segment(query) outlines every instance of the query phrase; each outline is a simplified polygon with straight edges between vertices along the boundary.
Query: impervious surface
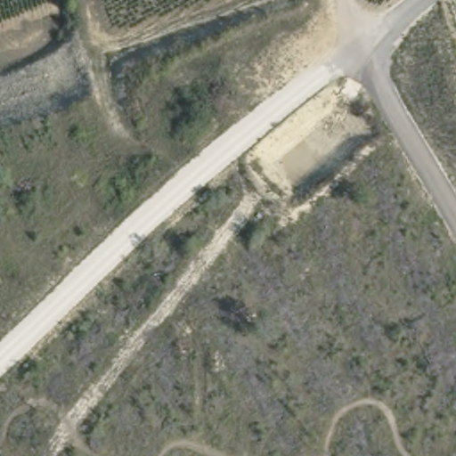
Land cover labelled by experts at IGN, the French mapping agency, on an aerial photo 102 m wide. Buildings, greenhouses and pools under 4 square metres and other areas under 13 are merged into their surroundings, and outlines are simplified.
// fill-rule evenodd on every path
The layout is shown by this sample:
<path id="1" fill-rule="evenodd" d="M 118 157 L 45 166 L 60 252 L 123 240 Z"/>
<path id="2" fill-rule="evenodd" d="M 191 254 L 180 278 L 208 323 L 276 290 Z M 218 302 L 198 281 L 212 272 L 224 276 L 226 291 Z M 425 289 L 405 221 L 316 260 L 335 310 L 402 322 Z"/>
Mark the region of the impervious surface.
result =
<path id="1" fill-rule="evenodd" d="M 444 219 L 445 230 L 456 244 L 456 185 L 454 178 L 449 178 L 447 169 L 438 159 L 435 148 L 427 141 L 420 126 L 415 123 L 410 110 L 406 109 L 394 82 L 390 80 L 390 64 L 395 48 L 403 43 L 404 36 L 410 32 L 411 27 L 415 27 L 435 9 L 436 2 L 442 2 L 442 0 L 387 0 L 379 4 L 378 11 L 374 12 L 369 20 L 356 27 L 358 37 L 349 45 L 344 46 L 340 52 L 337 48 L 330 48 L 328 52 L 319 55 L 319 66 L 326 66 L 331 78 L 344 77 L 360 84 L 360 93 L 356 94 L 356 98 L 358 102 L 378 103 L 383 116 L 387 121 L 394 132 L 394 146 L 401 150 L 401 157 L 406 164 L 406 175 L 410 176 L 411 180 L 420 180 L 420 199 L 426 201 L 429 207 L 435 208 L 436 214 Z"/>

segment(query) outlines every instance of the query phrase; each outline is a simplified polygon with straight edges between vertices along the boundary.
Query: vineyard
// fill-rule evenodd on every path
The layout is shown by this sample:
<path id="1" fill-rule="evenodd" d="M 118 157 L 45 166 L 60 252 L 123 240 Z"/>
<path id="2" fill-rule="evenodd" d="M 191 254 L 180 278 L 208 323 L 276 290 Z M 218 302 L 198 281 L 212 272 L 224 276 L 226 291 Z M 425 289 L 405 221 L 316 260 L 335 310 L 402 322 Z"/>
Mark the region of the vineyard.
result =
<path id="1" fill-rule="evenodd" d="M 442 0 L 442 2 L 445 23 L 456 43 L 456 0 Z"/>
<path id="2" fill-rule="evenodd" d="M 85 9 L 93 11 L 94 20 L 100 21 L 103 32 L 118 36 L 121 48 L 134 50 L 137 45 L 146 45 L 167 34 L 173 34 L 176 30 L 196 27 L 235 12 L 248 11 L 273 0 L 0 0 L 0 78 L 45 59 L 62 46 L 71 41 L 78 25 L 85 20 Z"/>

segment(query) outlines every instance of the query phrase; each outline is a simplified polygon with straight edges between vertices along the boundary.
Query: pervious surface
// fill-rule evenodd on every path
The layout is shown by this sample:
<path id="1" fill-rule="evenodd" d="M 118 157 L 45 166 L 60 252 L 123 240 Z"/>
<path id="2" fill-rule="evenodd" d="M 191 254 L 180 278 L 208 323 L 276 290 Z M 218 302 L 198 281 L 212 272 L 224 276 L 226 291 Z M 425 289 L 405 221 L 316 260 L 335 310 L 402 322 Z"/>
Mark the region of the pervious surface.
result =
<path id="1" fill-rule="evenodd" d="M 205 442 L 196 442 L 191 436 L 185 436 L 180 440 L 167 442 L 155 456 L 230 456 Z"/>
<path id="2" fill-rule="evenodd" d="M 84 299 L 87 292 L 93 290 L 96 287 L 141 242 L 142 237 L 153 232 L 166 217 L 173 214 L 175 208 L 192 198 L 198 187 L 207 185 L 208 180 L 219 175 L 232 160 L 237 160 L 237 157 L 244 160 L 249 178 L 255 182 L 255 191 L 244 194 L 239 207 L 233 210 L 232 216 L 228 217 L 223 226 L 214 233 L 214 239 L 210 240 L 210 244 L 199 251 L 196 260 L 189 262 L 185 273 L 176 280 L 175 289 L 167 292 L 162 303 L 134 331 L 134 335 L 128 338 L 125 349 L 121 349 L 110 363 L 109 369 L 91 385 L 84 397 L 78 399 L 66 415 L 62 415 L 61 424 L 50 438 L 48 456 L 66 456 L 62 449 L 66 447 L 68 436 L 77 431 L 78 424 L 85 419 L 87 411 L 96 406 L 102 399 L 103 392 L 116 383 L 132 354 L 144 346 L 144 333 L 166 321 L 167 315 L 173 313 L 182 297 L 198 283 L 199 276 L 212 265 L 233 235 L 237 228 L 246 223 L 246 219 L 251 216 L 260 199 L 274 199 L 276 203 L 280 203 L 278 217 L 280 226 L 292 224 L 297 221 L 299 214 L 308 212 L 312 205 L 315 205 L 317 199 L 330 194 L 331 189 L 337 187 L 340 180 L 346 178 L 372 151 L 369 144 L 379 137 L 379 123 L 383 119 L 387 121 L 383 116 L 381 119 L 374 118 L 365 110 L 358 118 L 353 116 L 349 112 L 349 103 L 356 98 L 356 94 L 360 93 L 360 84 L 344 77 L 331 78 L 326 66 L 319 66 L 319 55 L 328 52 L 330 48 L 337 48 L 340 52 L 344 46 L 349 45 L 358 37 L 356 27 L 369 20 L 374 12 L 378 11 L 379 4 L 387 0 L 321 0 L 321 7 L 315 12 L 312 20 L 308 21 L 305 34 L 301 37 L 292 36 L 287 39 L 285 45 L 280 46 L 280 57 L 278 62 L 274 62 L 273 77 L 265 87 L 256 89 L 256 94 L 262 94 L 264 102 L 253 112 L 249 112 L 246 118 L 230 126 L 216 141 L 210 142 L 205 150 L 201 150 L 198 157 L 194 157 L 171 178 L 159 192 L 155 192 L 148 201 L 144 201 L 141 207 L 119 224 L 82 264 L 77 265 L 64 278 L 61 285 L 53 290 L 43 303 L 39 303 L 14 330 L 9 331 L 0 340 L 0 376 L 14 365 L 27 356 L 28 351 L 36 346 L 37 342 L 41 342 L 43 340 L 48 331 L 55 328 L 57 322 L 62 321 L 77 306 L 78 301 Z"/>
<path id="3" fill-rule="evenodd" d="M 342 419 L 347 411 L 367 404 L 376 406 L 385 415 L 392 431 L 395 449 L 401 456 L 410 456 L 410 452 L 404 447 L 403 438 L 399 435 L 392 408 L 381 399 L 365 397 L 340 406 L 331 415 L 330 426 L 322 440 L 322 456 L 331 456 L 330 444 L 338 420 Z"/>
<path id="4" fill-rule="evenodd" d="M 43 112 L 43 109 L 50 107 L 52 103 L 52 93 L 68 91 L 69 94 L 78 94 L 85 89 L 91 89 L 85 68 L 78 62 L 77 52 L 68 55 L 66 48 L 62 46 L 45 59 L 0 78 L 0 125 L 7 125 L 9 119 L 18 119 L 36 110 Z"/>

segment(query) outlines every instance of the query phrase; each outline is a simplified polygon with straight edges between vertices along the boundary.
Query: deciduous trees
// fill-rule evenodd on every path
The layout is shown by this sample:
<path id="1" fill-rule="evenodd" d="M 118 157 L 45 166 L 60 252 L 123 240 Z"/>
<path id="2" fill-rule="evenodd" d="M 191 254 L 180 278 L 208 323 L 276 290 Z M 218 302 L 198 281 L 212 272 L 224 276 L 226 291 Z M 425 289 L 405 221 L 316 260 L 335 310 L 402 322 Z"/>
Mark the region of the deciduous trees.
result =
<path id="1" fill-rule="evenodd" d="M 68 436 L 66 447 L 62 449 L 66 456 L 75 456 L 75 449 L 85 452 L 87 444 L 91 444 L 91 435 L 94 427 L 100 424 L 100 419 L 110 417 L 112 403 L 105 404 L 105 410 L 98 410 L 96 406 L 87 411 L 85 419 L 78 424 L 77 431 Z"/>
<path id="2" fill-rule="evenodd" d="M 201 135 L 207 132 L 208 126 L 216 123 L 212 110 L 217 109 L 217 100 L 223 94 L 228 78 L 217 73 L 223 59 L 216 53 L 208 53 L 203 59 L 189 62 L 189 69 L 196 71 L 192 84 L 175 87 L 173 100 L 164 105 L 167 110 L 171 110 L 173 116 L 169 125 L 169 139 L 175 137 L 176 141 L 198 146 Z"/>
<path id="3" fill-rule="evenodd" d="M 73 103 L 84 102 L 91 94 L 91 89 L 85 89 L 78 94 L 69 94 L 68 91 L 52 93 L 52 103 L 50 107 L 43 109 L 43 112 L 36 110 L 18 119 L 9 119 L 7 125 L 0 125 L 0 155 L 9 155 L 9 144 L 18 141 L 21 141 L 23 150 L 30 151 L 34 146 L 34 139 L 48 134 L 48 116 L 71 109 Z"/>
<path id="4" fill-rule="evenodd" d="M 36 360 L 32 360 L 30 356 L 41 349 L 41 342 L 37 342 L 36 346 L 28 351 L 27 356 L 14 365 L 18 379 L 23 379 L 27 372 L 36 370 Z"/>
<path id="5" fill-rule="evenodd" d="M 157 171 L 155 166 L 159 164 L 160 157 L 150 151 L 134 153 L 128 157 L 125 153 L 118 153 L 112 162 L 105 164 L 105 169 L 116 169 L 116 175 L 109 178 L 109 185 L 114 194 L 110 194 L 109 198 L 103 201 L 100 210 L 112 207 L 112 216 L 119 224 L 141 207 L 144 201 L 148 201 L 155 192 L 159 192 L 171 178 L 164 171 Z"/>
<path id="6" fill-rule="evenodd" d="M 240 240 L 244 248 L 249 249 L 251 237 L 256 232 L 256 219 L 265 216 L 278 217 L 280 203 L 276 203 L 274 199 L 260 199 L 251 216 L 246 219 L 246 223 L 237 228 L 233 235 Z"/>
<path id="7" fill-rule="evenodd" d="M 426 392 L 420 394 L 420 413 L 427 413 L 426 401 L 433 395 L 438 381 L 436 374 L 433 374 L 427 379 Z"/>
<path id="8" fill-rule="evenodd" d="M 175 289 L 176 280 L 185 273 L 189 262 L 196 260 L 199 251 L 210 244 L 210 240 L 214 239 L 214 233 L 223 226 L 228 217 L 232 216 L 233 210 L 239 207 L 244 194 L 255 191 L 255 182 L 249 178 L 244 160 L 237 157 L 237 160 L 232 160 L 219 175 L 208 180 L 207 185 L 198 187 L 192 198 L 175 208 L 173 214 L 166 217 L 153 232 L 142 237 L 141 242 L 96 287 L 100 290 L 110 289 L 109 296 L 102 301 L 103 305 L 112 305 L 114 312 L 125 312 L 123 322 L 126 330 L 118 338 L 118 346 L 121 349 L 125 349 L 128 338 L 134 335 L 134 331 L 162 303 L 167 292 Z"/>
<path id="9" fill-rule="evenodd" d="M 223 297 L 217 306 L 219 321 L 223 322 L 224 326 L 232 328 L 240 335 L 249 335 L 251 331 L 256 330 L 255 322 L 248 321 L 248 308 L 244 301 Z"/>
<path id="10" fill-rule="evenodd" d="M 381 119 L 383 116 L 378 103 L 358 102 L 356 98 L 349 103 L 349 112 L 353 116 L 358 118 L 365 110 L 374 118 Z"/>
<path id="11" fill-rule="evenodd" d="M 80 326 L 89 317 L 89 312 L 85 308 L 98 299 L 93 290 L 87 292 L 84 299 L 78 301 L 77 306 L 62 321 L 57 322 L 55 328 L 48 331 L 43 340 L 52 340 L 59 335 L 61 328 L 66 328 L 69 333 L 73 333 L 75 340 L 84 340 L 84 331 L 80 330 Z"/>
<path id="12" fill-rule="evenodd" d="M 374 192 L 370 185 L 358 191 L 354 183 L 347 182 L 346 178 L 340 180 L 337 187 L 331 189 L 330 194 L 333 198 L 342 196 L 351 201 L 358 201 L 362 207 L 372 203 Z"/>
<path id="13" fill-rule="evenodd" d="M 422 321 L 424 313 L 420 312 L 415 317 L 404 317 L 387 324 L 383 331 L 388 340 L 395 342 L 397 331 L 404 328 L 408 330 L 415 322 Z"/>
<path id="14" fill-rule="evenodd" d="M 387 121 L 383 119 L 379 123 L 379 137 L 369 144 L 372 151 L 379 150 L 381 146 L 394 146 L 394 132 Z"/>

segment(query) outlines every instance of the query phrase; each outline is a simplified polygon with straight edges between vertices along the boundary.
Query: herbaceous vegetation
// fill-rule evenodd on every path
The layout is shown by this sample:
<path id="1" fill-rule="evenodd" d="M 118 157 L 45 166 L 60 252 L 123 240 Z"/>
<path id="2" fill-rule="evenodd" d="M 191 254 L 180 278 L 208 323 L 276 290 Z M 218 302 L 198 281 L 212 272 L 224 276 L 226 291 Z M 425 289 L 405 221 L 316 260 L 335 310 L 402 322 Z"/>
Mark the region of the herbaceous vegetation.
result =
<path id="1" fill-rule="evenodd" d="M 100 210 L 103 201 L 109 198 L 110 194 L 114 194 L 109 185 L 109 178 L 116 175 L 116 169 L 105 169 L 105 164 L 112 162 L 118 153 L 125 153 L 128 157 L 134 153 L 150 151 L 160 157 L 159 164 L 155 166 L 157 171 L 164 171 L 171 178 L 194 157 L 198 157 L 201 150 L 205 150 L 210 142 L 216 141 L 230 126 L 246 118 L 249 112 L 253 112 L 264 102 L 262 94 L 256 94 L 256 89 L 265 87 L 273 77 L 274 62 L 278 62 L 280 57 L 280 46 L 285 45 L 287 39 L 292 36 L 301 37 L 305 34 L 308 21 L 312 20 L 315 12 L 321 7 L 321 0 L 273 0 L 248 11 L 235 12 L 196 27 L 176 30 L 173 34 L 167 34 L 146 45 L 137 45 L 134 50 L 121 48 L 118 36 L 103 32 L 100 21 L 94 20 L 93 11 L 85 9 L 85 20 L 78 25 L 71 41 L 62 46 L 66 48 L 68 55 L 77 52 L 78 62 L 85 68 L 91 89 L 91 94 L 84 102 L 73 103 L 71 109 L 48 116 L 48 134 L 34 139 L 34 146 L 30 151 L 23 150 L 21 141 L 18 141 L 9 144 L 9 155 L 0 155 L 0 340 L 9 331 L 14 330 L 39 303 L 43 303 L 53 290 L 61 285 L 64 278 L 77 265 L 82 264 L 119 224 L 112 216 L 112 207 Z M 189 62 L 203 59 L 208 53 L 216 53 L 223 59 L 217 73 L 228 78 L 223 94 L 217 100 L 217 109 L 212 110 L 216 123 L 208 126 L 207 132 L 201 135 L 198 146 L 176 141 L 175 137 L 169 139 L 169 125 L 173 116 L 171 110 L 167 110 L 164 105 L 173 100 L 175 87 L 192 84 L 196 71 L 189 69 Z"/>
<path id="2" fill-rule="evenodd" d="M 367 404 L 347 411 L 342 419 L 338 420 L 330 444 L 331 456 L 401 456 L 395 449 L 392 431 L 385 415 L 376 406 Z"/>
<path id="3" fill-rule="evenodd" d="M 330 426 L 331 415 L 340 406 L 365 397 L 381 399 L 392 408 L 399 435 L 403 438 L 404 447 L 410 452 L 410 456 L 456 456 L 456 244 L 445 230 L 444 219 L 436 214 L 435 208 L 429 207 L 426 201 L 420 199 L 420 180 L 411 180 L 410 176 L 406 175 L 406 164 L 401 157 L 401 150 L 394 146 L 381 146 L 379 150 L 372 151 L 346 178 L 347 182 L 354 183 L 358 191 L 370 185 L 374 192 L 372 203 L 362 207 L 358 201 L 351 201 L 342 196 L 333 198 L 330 194 L 317 199 L 315 205 L 312 205 L 308 212 L 299 214 L 297 221 L 292 224 L 280 226 L 278 217 L 265 216 L 256 219 L 256 232 L 251 237 L 249 249 L 244 248 L 240 240 L 233 235 L 212 265 L 199 276 L 198 283 L 182 297 L 173 313 L 167 315 L 166 321 L 144 333 L 144 346 L 132 354 L 116 383 L 103 392 L 102 399 L 96 406 L 98 410 L 105 410 L 105 404 L 112 403 L 110 417 L 100 419 L 100 424 L 94 427 L 91 435 L 91 444 L 87 444 L 85 452 L 75 449 L 75 456 L 155 456 L 167 442 L 180 440 L 185 436 L 191 436 L 196 442 L 205 442 L 230 456 L 322 456 L 322 440 Z M 249 335 L 240 335 L 232 328 L 224 326 L 223 322 L 219 321 L 217 306 L 223 297 L 244 301 L 248 308 L 248 321 L 255 322 L 256 330 L 251 331 Z M 415 322 L 408 330 L 404 328 L 397 331 L 395 342 L 388 340 L 383 331 L 387 324 L 404 317 L 415 317 L 420 312 L 424 313 L 422 321 Z M 433 395 L 426 401 L 427 413 L 420 413 L 420 394 L 426 392 L 427 379 L 433 374 L 436 374 L 438 381 Z"/>
<path id="4" fill-rule="evenodd" d="M 110 289 L 100 290 L 96 287 L 93 290 L 98 299 L 85 308 L 89 312 L 89 317 L 80 326 L 80 330 L 84 331 L 84 340 L 75 340 L 73 333 L 69 333 L 66 328 L 61 328 L 59 335 L 52 340 L 43 340 L 41 342 L 41 349 L 30 356 L 32 360 L 36 360 L 36 370 L 27 372 L 23 379 L 18 379 L 14 365 L 0 376 L 0 456 L 48 456 L 50 438 L 61 424 L 62 415 L 66 415 L 78 399 L 84 397 L 91 385 L 109 369 L 110 363 L 121 349 L 118 346 L 118 338 L 126 330 L 123 322 L 125 312 L 114 312 L 112 305 L 103 305 L 102 301 L 109 296 Z"/>
<path id="5" fill-rule="evenodd" d="M 390 80 L 394 82 L 406 109 L 410 110 L 415 123 L 420 126 L 427 141 L 435 148 L 438 159 L 447 169 L 449 178 L 454 178 L 456 185 L 456 43 L 445 23 L 442 2 L 436 2 L 435 9 L 415 27 L 411 27 L 410 32 L 404 36 L 403 43 L 395 48 L 390 64 Z"/>

